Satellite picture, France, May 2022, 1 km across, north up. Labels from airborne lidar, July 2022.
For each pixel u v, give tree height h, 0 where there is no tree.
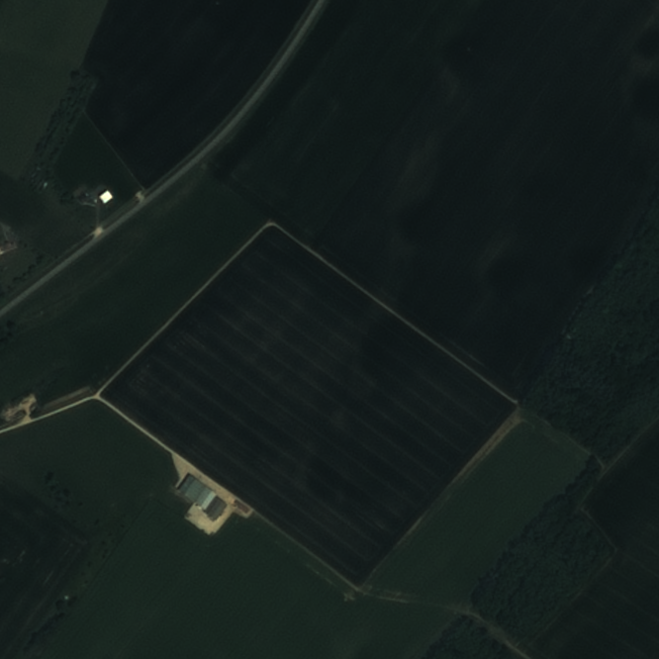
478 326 0
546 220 0
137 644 0
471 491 0
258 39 0
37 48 0
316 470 0
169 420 0
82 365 0
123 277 0
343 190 0
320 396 0
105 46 0
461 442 0
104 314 0
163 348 0
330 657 0
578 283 0
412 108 0
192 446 0
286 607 0
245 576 0
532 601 23
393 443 0
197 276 0
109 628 0
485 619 17
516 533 0
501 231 0
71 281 0
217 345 0
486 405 0
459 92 0
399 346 0
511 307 0
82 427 0
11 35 0
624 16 0
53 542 0
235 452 0
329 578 0
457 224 0
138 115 0
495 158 0
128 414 0
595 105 0
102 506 0
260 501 0
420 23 0
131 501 0
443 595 0
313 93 0
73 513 0
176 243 0
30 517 0
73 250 0
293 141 0
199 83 0
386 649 0
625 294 19
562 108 0
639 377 22
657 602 0
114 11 0
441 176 0
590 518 0
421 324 0
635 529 0
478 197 0
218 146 0
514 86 0
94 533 0
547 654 0
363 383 0
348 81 0
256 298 0
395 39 0
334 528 0
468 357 0
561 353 14
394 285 0
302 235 0
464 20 0
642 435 0
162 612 0
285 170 0
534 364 0
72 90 10
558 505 19
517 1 0
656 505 0
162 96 0
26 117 0
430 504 0
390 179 0
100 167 0
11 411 0
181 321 0
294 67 0
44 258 9
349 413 0
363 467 0
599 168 0
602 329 20
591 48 0
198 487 0
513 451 0
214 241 0
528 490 0
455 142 0
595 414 20
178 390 0
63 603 9
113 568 0
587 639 0
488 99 0
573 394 21
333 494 0
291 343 0
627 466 0
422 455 0
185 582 0
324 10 0
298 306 0
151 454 0
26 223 0
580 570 20
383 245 0
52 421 0
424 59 0
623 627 0
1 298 18
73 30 0
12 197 0
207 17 0
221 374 0
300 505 0
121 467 0
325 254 0
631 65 0
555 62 0
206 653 0
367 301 0
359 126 0
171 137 0
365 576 0
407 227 0
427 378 0
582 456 0
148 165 0
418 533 0
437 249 0
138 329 0
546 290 0
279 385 0
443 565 0
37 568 0
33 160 0
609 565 0
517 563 22
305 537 0
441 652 24
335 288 0
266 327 0
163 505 0
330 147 0
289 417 0
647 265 17
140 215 0
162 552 0
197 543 0
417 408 0
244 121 0
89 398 0
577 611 0
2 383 0
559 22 0
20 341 0
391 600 0
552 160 0
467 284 0
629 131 0
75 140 0
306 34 0
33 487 0
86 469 0
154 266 0
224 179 0
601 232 0
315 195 0
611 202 0
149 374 0
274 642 0
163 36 0
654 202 18
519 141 0
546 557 26
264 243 0
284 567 0
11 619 0
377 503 0
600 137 0
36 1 0
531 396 23
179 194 0
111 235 0
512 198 0
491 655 9
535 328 0
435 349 0
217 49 0
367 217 0
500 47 0
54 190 7
